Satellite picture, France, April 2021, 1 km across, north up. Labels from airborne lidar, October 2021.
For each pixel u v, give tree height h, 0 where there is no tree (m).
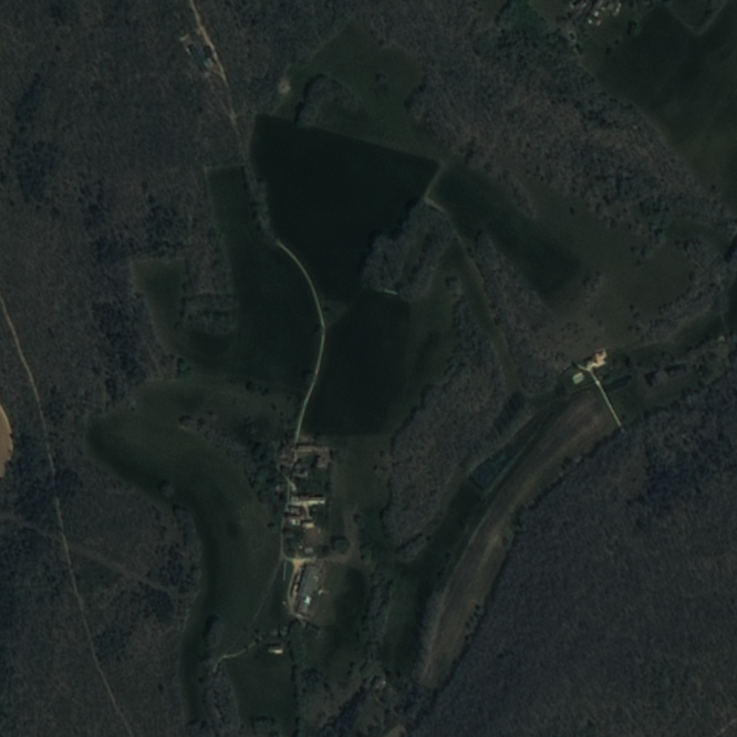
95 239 15
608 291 0
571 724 10
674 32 0
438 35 18
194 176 16
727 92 0
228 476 0
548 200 0
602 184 14
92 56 15
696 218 14
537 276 0
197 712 0
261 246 0
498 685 11
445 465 18
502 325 17
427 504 11
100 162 9
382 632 18
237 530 0
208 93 13
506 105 15
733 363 13
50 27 10
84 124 17
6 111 12
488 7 0
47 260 12
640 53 0
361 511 0
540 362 6
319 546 0
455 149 15
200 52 10
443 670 0
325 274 0
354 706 13
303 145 0
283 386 0
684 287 0
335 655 0
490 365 13
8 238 10
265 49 14
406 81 0
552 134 15
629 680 14
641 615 12
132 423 0
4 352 6
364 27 17
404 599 0
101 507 8
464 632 0
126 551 7
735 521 15
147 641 11
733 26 0
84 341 14
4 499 9
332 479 10
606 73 0
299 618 0
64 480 13
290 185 0
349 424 0
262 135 0
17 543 6
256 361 0
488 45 11
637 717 11
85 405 15
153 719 6
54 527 13
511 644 11
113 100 11
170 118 9
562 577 10
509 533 0
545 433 0
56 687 8
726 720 8
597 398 0
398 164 0
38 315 10
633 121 14
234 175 0
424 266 16
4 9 10
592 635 11
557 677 12
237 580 0
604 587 10
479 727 10
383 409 0
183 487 0
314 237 0
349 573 0
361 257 0
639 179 17
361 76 0
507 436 38
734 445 10
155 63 9
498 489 0
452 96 15
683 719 11
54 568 7
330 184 0
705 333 0
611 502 11
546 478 0
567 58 16
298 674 13
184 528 13
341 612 0
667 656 13
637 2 8
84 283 10
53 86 9
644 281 0
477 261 17
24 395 9
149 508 9
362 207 0
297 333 0
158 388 0
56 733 8
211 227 13
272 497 12
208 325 15
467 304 8
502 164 0
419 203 12
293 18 15
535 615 10
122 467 0
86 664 11
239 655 0
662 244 9
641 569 13
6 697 6
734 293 0
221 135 12
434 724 15
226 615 0
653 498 16
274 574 0
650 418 14
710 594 11
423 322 0
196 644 0
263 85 13
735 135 0
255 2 14
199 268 12
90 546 7
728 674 8
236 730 10
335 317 0
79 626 10
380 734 13
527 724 12
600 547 13
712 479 12
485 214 0
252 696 0
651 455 10
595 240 0
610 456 9
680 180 13
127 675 6
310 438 0
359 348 0
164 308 0
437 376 0
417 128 0
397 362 0
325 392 0
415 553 17
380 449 0
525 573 10
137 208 10
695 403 12
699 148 0
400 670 0
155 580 6
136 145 12
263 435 0
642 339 14
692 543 10
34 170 10
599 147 13
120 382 11
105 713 13
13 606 12
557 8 0
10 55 10
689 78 0
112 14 9
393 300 0
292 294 0
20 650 11
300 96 0
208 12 10
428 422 23
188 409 0
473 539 0
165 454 0
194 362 0
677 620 12
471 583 0
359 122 0
